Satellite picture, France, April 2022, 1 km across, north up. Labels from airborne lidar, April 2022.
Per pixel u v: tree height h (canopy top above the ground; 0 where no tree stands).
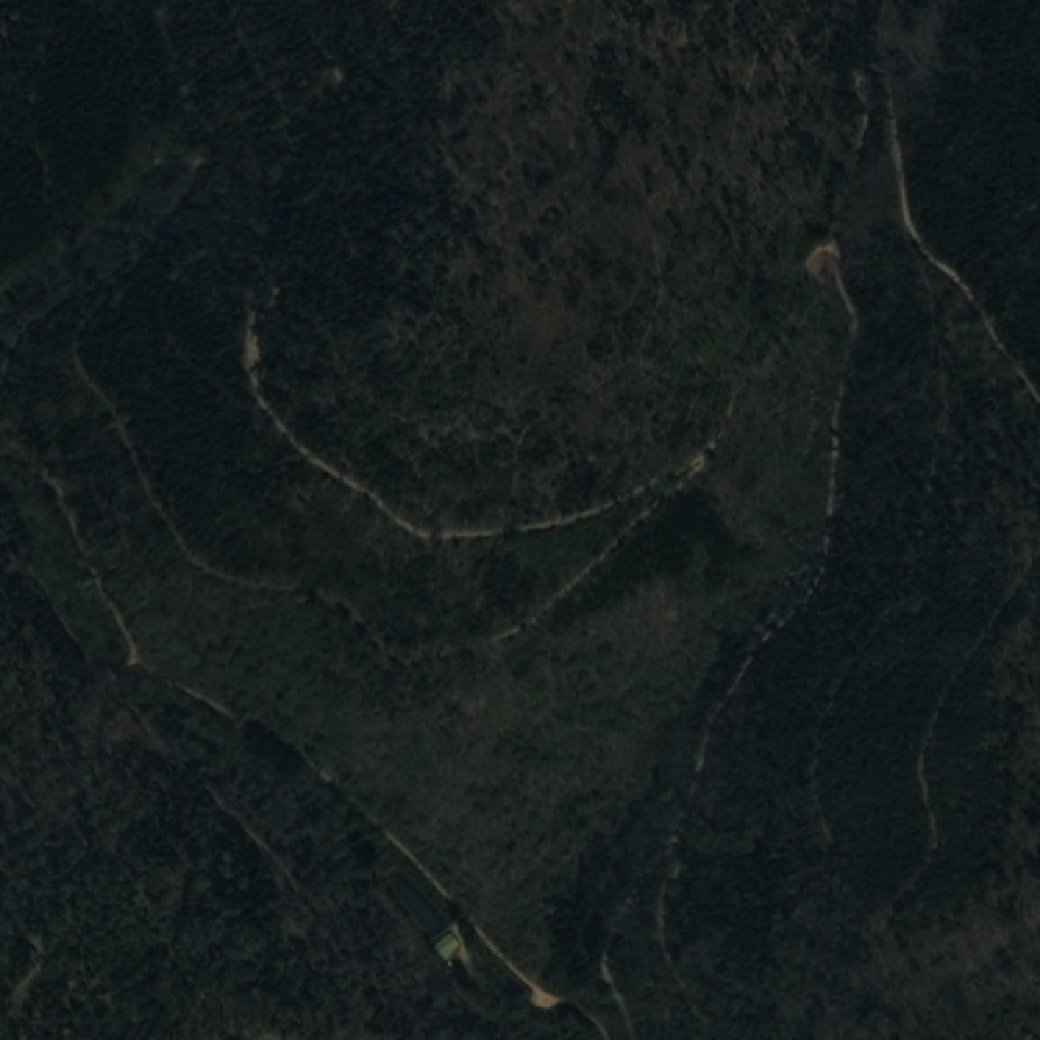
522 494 9
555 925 27
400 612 8
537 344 15
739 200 12
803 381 24
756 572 10
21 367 8
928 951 24
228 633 9
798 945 21
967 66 12
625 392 8
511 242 12
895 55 17
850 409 10
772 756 12
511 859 8
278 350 8
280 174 23
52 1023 26
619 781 8
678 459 10
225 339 11
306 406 7
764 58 31
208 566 10
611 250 21
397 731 22
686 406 10
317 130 14
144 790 13
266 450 10
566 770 10
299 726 16
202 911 13
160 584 9
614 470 8
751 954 15
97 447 8
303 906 19
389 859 7
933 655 9
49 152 23
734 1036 18
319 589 9
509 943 9
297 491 10
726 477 12
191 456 11
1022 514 12
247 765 25
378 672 10
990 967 21
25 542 35
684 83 15
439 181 9
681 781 21
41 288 25
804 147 25
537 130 12
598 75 14
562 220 11
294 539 10
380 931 39
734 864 12
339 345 19
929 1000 19
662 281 9
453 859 17
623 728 25
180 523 6
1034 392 7
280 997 22
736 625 20
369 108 27
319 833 30
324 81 8
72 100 23
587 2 0
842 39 29
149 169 25
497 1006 23
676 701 21
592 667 9
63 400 9
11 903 23
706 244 23
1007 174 12
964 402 9
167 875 31
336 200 21
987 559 13
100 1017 30
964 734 8
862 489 8
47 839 14
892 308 8
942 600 8
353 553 12
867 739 9
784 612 16
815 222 13
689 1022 19
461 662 21
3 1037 19
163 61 32
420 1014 33
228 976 20
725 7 32
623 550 11
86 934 22
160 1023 26
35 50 24
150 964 24
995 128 10
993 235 12
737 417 14
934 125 9
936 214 9
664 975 13
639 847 21
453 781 9
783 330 11
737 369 7
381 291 14
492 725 13
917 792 7
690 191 13
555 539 12
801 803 8
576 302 14
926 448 7
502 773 10
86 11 26
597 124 10
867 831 9
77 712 33
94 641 18
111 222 31
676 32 33
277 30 23
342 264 22
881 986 20
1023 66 10
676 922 6
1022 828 8
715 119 26
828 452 18
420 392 7
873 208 11
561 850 18
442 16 24
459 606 12
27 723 13
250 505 8
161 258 17
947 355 12
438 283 10
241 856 10
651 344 6
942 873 8
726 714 9
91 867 11
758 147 13
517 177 7
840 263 16
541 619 6
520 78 11
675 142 14
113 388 13
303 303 26
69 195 24
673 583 22
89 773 35
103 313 13
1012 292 13
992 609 8
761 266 17
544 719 19
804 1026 16
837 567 6
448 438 7
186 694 18
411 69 19
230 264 14
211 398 13
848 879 13
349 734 21
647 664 17
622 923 19
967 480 18
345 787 16
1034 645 7
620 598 19
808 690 24
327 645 10
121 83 26
